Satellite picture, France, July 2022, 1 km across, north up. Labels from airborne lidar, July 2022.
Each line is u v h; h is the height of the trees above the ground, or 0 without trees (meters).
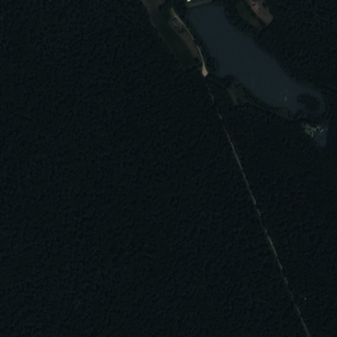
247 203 25
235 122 20
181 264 27
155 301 26
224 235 24
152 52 24
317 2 15
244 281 28
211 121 27
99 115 26
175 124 25
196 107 22
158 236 28
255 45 0
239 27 14
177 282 21
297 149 17
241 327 24
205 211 21
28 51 26
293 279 23
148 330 24
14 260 23
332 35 20
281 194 29
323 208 25
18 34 28
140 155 26
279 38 22
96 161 27
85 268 18
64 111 23
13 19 26
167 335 28
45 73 24
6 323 26
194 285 26
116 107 30
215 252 27
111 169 24
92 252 25
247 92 12
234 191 24
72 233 28
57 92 25
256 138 19
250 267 30
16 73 28
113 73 27
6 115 26
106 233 29
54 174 28
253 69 0
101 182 22
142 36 24
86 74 25
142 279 18
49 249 24
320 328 30
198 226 25
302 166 11
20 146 23
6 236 22
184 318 24
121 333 25
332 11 21
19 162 28
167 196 18
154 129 24
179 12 19
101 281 28
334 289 22
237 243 23
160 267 22
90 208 33
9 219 24
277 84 0
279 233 27
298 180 24
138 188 30
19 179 26
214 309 27
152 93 13
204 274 24
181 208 20
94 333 15
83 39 23
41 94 27
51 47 16
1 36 25
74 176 27
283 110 0
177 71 25
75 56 26
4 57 28
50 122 26
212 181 20
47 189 21
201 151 20
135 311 26
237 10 19
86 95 26
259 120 27
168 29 0
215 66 7
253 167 22
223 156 24
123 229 28
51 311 18
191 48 0
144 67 23
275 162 10
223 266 28
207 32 0
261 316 23
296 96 0
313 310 20
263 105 17
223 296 28
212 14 0
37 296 27
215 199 20
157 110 20
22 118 28
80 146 27
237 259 25
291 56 18
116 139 26
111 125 23
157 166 26
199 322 28
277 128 23
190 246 26
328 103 15
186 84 19
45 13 28
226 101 21
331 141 21
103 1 18
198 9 0
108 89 13
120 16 21
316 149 19
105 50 25
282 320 25
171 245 24
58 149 26
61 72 25
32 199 27
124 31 21
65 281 26
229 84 14
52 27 20
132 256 24
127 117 26
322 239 21
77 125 26
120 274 23
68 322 26
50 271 25
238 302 27
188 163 19
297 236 29
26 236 27
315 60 22
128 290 25
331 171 20
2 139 12
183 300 30
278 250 23
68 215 30
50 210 24
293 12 22
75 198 28
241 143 22
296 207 30
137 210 25
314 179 19
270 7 16
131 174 23
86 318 27
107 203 24
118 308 12
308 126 0
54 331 24
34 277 26
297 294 19
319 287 24
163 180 27
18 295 25
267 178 21
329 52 19
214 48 0
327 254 23
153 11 0
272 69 0
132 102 25
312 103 24
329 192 16
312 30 15
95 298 28
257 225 25
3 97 28
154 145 19
